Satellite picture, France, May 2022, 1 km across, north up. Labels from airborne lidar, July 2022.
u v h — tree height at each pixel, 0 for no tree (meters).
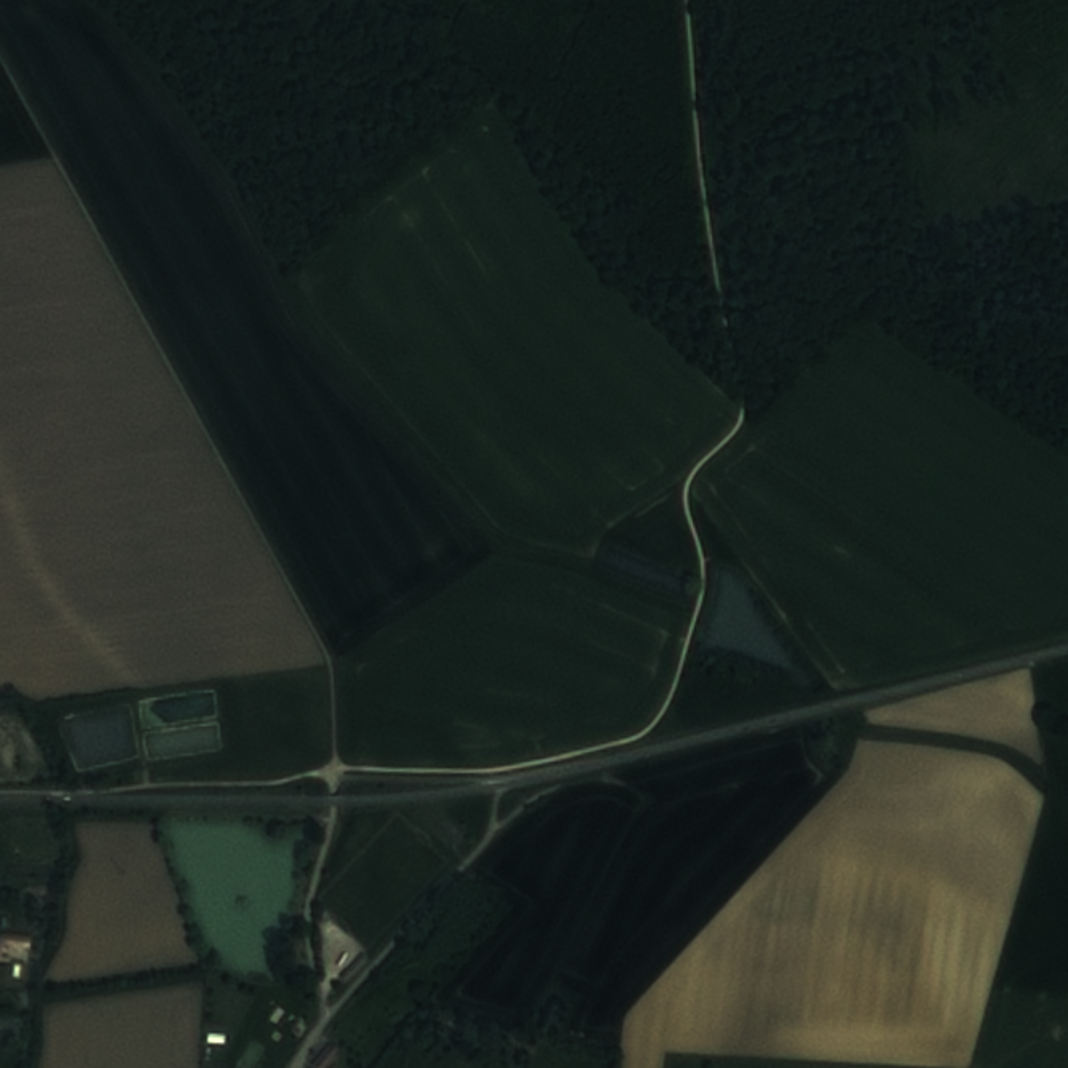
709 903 0
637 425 0
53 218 0
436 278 0
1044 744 0
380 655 0
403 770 0
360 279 0
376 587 0
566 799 0
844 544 0
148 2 24
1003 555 0
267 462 0
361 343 0
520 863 0
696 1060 0
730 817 0
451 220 0
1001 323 27
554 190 20
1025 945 0
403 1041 12
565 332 0
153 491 0
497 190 0
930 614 0
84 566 0
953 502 0
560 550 0
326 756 0
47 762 8
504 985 0
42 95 0
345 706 0
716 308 18
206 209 0
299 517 0
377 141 22
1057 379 29
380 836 0
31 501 0
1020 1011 0
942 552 0
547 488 0
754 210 28
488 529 0
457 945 21
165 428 0
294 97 28
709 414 0
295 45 22
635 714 0
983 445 0
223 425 0
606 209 23
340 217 19
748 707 0
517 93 6
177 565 0
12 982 0
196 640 0
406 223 0
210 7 26
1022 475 0
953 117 30
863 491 0
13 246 0
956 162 0
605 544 0
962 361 17
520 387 0
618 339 0
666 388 0
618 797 0
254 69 28
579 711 0
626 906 0
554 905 0
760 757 0
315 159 27
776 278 27
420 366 0
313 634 0
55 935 9
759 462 0
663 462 0
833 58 16
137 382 0
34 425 0
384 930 0
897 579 0
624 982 0
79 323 0
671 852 0
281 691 0
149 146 0
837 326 22
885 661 0
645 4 11
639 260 20
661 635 0
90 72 0
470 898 20
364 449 0
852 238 27
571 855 0
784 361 26
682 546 0
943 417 0
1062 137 0
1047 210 6
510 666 0
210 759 0
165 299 0
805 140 15
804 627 0
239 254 0
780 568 0
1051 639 0
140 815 8
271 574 0
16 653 0
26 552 0
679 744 0
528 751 0
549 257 0
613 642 0
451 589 0
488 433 0
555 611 0
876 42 8
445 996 0
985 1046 0
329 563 0
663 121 13
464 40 8
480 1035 25
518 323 0
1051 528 0
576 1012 0
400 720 0
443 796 0
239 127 22
